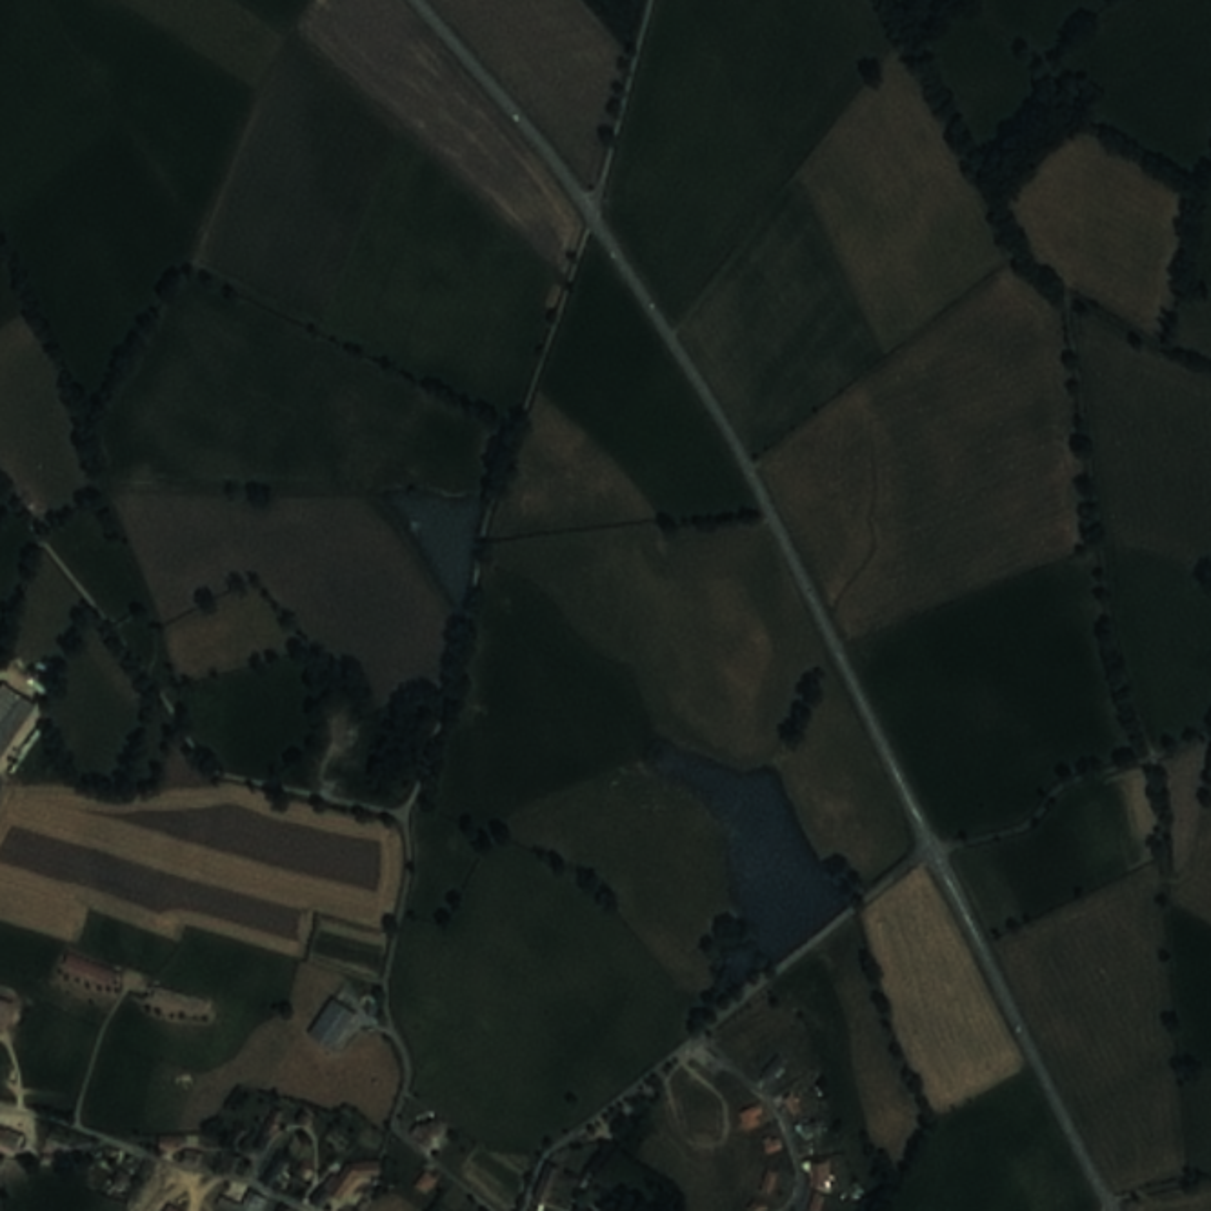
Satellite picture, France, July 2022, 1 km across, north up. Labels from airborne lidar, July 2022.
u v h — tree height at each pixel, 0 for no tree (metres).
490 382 0
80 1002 0
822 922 0
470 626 16
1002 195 21
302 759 16
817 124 0
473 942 0
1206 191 15
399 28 0
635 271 0
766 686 0
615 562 0
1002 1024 0
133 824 0
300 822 0
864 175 0
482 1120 0
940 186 0
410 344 0
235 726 0
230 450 0
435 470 0
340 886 0
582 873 13
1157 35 0
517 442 17
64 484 0
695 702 0
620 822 0
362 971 0
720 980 10
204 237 0
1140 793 0
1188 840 0
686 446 0
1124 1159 0
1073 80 10
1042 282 19
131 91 0
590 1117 0
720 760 0
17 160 0
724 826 0
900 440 0
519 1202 8
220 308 0
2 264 11
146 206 0
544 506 0
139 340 16
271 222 0
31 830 0
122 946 0
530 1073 0
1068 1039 0
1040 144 25
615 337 0
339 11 0
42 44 0
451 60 0
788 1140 0
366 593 0
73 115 0
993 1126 0
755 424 0
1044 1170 0
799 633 0
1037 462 0
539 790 0
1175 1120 0
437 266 0
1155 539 0
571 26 0
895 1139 0
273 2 0
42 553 11
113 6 0
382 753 12
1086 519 15
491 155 0
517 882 0
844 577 0
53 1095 0
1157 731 0
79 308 0
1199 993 0
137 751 18
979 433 0
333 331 0
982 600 0
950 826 0
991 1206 0
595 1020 0
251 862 0
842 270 0
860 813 0
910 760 0
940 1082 0
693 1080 0
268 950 0
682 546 0
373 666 0
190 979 0
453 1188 0
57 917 0
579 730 0
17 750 0
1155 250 0
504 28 0
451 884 0
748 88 0
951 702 0
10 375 0
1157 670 0
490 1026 0
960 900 0
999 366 0
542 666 0
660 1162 0
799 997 0
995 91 0
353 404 0
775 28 0
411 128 0
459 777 0
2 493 16
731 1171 0
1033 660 0
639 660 0
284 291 0
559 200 0
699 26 0
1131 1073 0
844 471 0
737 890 0
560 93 0
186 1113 0
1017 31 0
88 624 15
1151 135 0
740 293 0
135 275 0
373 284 0
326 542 0
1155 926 0
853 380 0
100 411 18
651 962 0
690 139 0
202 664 0
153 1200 0
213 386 0
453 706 16
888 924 0
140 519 0
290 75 0
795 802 0
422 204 0
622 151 0
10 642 16
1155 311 0
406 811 0
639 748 0
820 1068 0
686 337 0
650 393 0
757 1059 0
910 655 0
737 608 0
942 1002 0
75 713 0
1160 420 0
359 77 0
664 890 0
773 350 0
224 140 0
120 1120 0
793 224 0
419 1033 0
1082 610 0
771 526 0
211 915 0
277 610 11
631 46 10
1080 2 0
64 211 0
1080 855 0
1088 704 0
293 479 0
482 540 10
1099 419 0
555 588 0
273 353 0
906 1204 0
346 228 0
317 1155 0
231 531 0
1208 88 0
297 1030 0
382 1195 5
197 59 0
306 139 0
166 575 0
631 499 0
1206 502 0
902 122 0
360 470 0
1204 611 0
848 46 0
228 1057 0
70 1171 20
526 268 0
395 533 0
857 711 0
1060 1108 0
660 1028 0
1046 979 0
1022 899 0
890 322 0
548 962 0
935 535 0
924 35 18
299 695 0
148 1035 0
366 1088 0
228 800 0
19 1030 0
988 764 0
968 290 0
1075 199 0
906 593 0
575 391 0
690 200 0
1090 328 0
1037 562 0
